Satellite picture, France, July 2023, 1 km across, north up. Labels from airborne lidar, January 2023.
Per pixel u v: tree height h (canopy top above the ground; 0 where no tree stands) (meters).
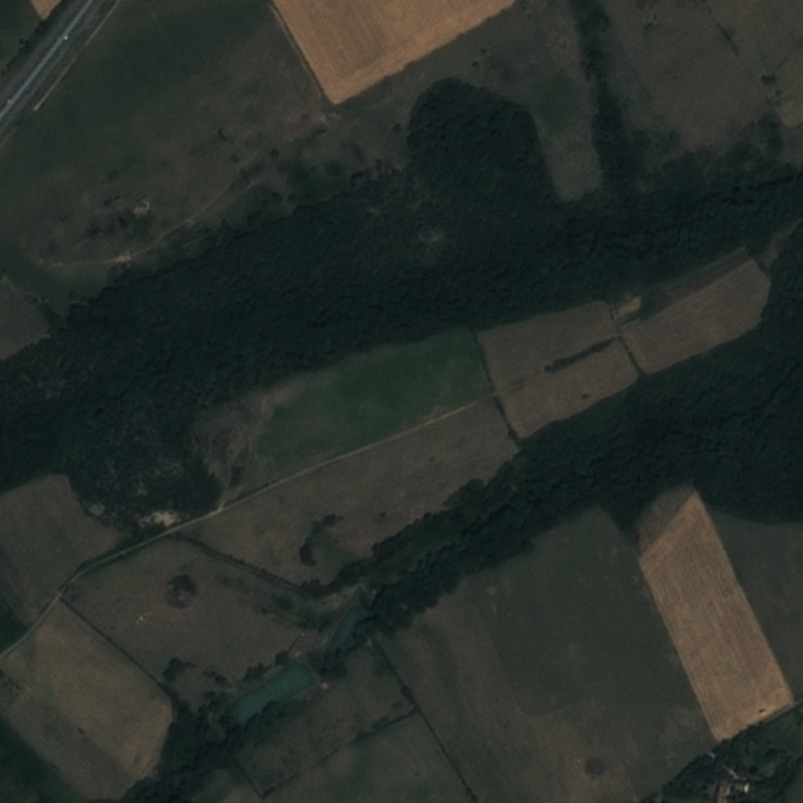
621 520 11
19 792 0
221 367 16
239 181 0
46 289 0
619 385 0
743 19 0
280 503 0
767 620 0
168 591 0
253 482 0
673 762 0
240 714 0
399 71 0
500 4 0
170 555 0
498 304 19
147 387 17
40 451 22
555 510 23
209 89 0
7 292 0
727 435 23
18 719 0
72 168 0
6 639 0
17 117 0
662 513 0
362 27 0
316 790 0
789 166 9
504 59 0
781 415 18
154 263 0
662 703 0
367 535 0
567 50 0
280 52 0
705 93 0
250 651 0
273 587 0
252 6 0
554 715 0
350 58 0
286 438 0
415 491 0
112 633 0
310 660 0
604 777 0
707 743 0
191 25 0
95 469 9
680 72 0
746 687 0
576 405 0
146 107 0
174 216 0
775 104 0
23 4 0
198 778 17
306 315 24
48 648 0
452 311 18
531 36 0
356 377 0
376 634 14
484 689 0
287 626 0
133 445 10
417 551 0
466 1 0
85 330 14
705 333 0
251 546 0
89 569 0
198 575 0
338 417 0
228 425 0
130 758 0
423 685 0
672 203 7
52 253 0
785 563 0
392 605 16
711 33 0
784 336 20
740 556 0
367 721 0
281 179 0
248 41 0
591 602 0
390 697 0
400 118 0
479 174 10
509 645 0
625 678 0
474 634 0
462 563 15
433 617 0
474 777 0
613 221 12
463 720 0
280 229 14
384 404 0
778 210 23
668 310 0
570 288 16
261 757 0
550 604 0
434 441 0
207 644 0
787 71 0
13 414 10
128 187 0
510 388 0
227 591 0
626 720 0
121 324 17
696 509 0
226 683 15
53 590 0
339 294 21
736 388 16
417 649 0
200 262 8
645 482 14
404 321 17
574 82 0
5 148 0
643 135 9
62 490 0
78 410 21
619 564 0
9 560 0
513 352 0
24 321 0
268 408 0
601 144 11
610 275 16
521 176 19
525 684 0
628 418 10
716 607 0
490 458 0
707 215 21
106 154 0
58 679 0
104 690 0
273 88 0
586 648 0
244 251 18
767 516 13
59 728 0
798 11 0
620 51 0
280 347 23
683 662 0
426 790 0
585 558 0
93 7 0
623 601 0
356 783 0
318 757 0
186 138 0
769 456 15
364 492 0
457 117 15
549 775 0
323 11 0
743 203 9
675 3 0
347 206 6
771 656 0
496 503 18
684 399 13
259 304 21
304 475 0
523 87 0
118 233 0
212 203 0
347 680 0
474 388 0
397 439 0
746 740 12
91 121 0
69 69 0
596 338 0
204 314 11
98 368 11
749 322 0
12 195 0
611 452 13
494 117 13
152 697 0
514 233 12
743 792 8
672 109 0
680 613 0
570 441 15
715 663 0
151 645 0
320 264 17
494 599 0
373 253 8
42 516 0
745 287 0
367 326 21
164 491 6
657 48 0
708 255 10
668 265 9
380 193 7
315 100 0
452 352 0
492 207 16
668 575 0
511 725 0
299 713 0
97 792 0
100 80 0
